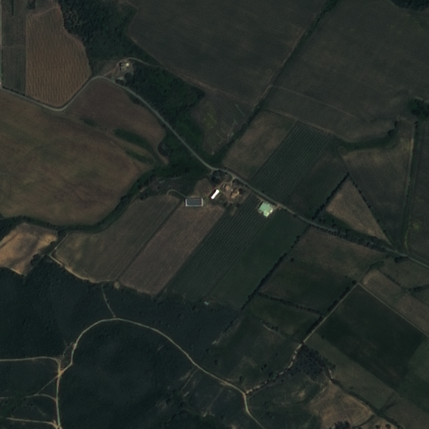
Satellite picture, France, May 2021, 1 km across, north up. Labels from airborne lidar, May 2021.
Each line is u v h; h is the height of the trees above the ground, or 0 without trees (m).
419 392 0
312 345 0
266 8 0
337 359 0
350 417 0
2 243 0
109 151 0
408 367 0
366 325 0
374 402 0
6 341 6
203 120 0
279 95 0
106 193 0
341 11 0
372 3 0
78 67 0
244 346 0
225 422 0
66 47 0
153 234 0
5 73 0
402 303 0
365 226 0
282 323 0
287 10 0
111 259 0
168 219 0
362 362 0
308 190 0
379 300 0
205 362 0
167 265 0
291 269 0
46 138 0
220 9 0
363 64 0
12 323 6
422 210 0
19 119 0
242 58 0
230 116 0
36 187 0
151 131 0
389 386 0
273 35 0
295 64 0
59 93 0
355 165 0
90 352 6
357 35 0
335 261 0
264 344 0
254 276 0
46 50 0
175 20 0
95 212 0
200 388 0
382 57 0
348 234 8
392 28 0
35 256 10
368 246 9
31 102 0
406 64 0
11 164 0
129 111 0
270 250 0
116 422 6
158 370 7
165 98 11
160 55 0
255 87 0
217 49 0
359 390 0
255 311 0
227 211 0
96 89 0
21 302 6
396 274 0
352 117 0
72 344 0
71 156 0
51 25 0
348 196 0
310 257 0
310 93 0
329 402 0
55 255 0
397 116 0
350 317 0
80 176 0
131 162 0
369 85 0
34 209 0
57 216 0
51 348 5
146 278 0
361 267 0
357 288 0
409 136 0
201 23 0
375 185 0
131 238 0
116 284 0
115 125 0
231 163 0
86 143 0
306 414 0
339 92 0
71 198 0
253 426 0
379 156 0
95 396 7
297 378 0
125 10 0
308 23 0
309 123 0
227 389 0
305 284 0
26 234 0
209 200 0
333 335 0
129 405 6
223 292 0
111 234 0
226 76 0
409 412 0
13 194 0
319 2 0
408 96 0
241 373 0
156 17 0
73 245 0
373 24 0
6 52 0
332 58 0
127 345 7
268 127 0
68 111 0
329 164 0
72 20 8
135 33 0
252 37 0
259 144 0
